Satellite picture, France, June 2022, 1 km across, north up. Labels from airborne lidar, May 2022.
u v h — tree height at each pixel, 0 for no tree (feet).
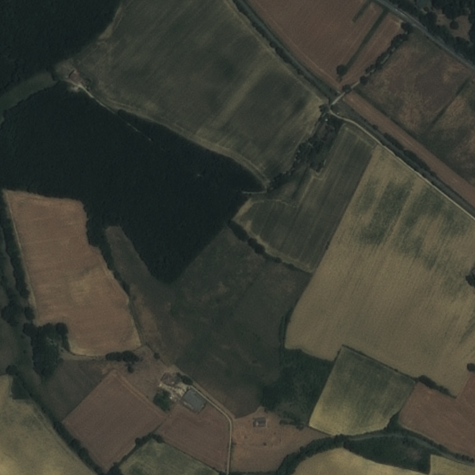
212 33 0
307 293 0
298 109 0
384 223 0
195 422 0
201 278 0
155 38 0
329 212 0
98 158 49
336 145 0
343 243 0
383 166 0
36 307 0
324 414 0
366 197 0
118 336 0
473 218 0
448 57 0
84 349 0
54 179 38
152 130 49
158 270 63
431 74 0
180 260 37
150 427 0
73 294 0
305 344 0
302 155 31
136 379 0
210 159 50
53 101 57
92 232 41
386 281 0
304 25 0
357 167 0
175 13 0
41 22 66
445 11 77
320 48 0
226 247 0
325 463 0
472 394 0
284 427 0
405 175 0
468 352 0
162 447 0
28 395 0
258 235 0
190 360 0
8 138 41
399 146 45
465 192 0
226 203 52
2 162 44
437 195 0
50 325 47
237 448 0
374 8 0
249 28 0
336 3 0
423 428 0
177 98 0
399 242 0
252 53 0
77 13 54
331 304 0
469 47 60
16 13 58
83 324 0
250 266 0
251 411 0
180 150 48
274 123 0
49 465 0
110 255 41
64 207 0
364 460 0
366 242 0
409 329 0
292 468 66
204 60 0
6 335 0
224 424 0
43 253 0
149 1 0
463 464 0
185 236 54
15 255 62
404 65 0
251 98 0
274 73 0
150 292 0
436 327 0
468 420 0
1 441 0
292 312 24
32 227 0
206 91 0
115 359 39
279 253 0
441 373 0
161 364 0
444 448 37
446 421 0
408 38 37
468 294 0
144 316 0
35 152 46
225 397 0
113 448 0
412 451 0
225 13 0
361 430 0
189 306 0
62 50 55
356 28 0
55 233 0
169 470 0
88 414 0
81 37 58
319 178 0
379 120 0
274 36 0
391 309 0
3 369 0
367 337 0
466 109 0
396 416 33
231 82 0
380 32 0
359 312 0
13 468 0
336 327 0
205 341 0
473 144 0
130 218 44
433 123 0
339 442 58
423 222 0
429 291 0
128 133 54
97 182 51
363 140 0
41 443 0
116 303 0
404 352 0
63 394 0
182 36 0
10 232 49
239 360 0
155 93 0
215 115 0
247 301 0
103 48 0
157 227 62
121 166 58
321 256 0
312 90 0
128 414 0
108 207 44
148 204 51
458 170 0
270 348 0
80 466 0
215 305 0
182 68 0
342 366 0
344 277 0
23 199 0
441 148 0
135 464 0
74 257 0
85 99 45
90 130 56
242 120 0
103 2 55
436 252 0
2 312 27
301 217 0
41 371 45
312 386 19
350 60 0
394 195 0
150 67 0
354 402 0
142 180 52
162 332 0
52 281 0
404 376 0
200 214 57
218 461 0
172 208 55
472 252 0
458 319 0
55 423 21
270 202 0
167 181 52
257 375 0
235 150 0
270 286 0
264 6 0
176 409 0
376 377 0
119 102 0
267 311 0
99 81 0
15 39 52
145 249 55
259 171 0
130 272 0
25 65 65
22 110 45
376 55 0
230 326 0
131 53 0
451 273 0
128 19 0
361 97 0
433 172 32
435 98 0
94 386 0
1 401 0
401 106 0
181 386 0
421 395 0
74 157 49
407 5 77
